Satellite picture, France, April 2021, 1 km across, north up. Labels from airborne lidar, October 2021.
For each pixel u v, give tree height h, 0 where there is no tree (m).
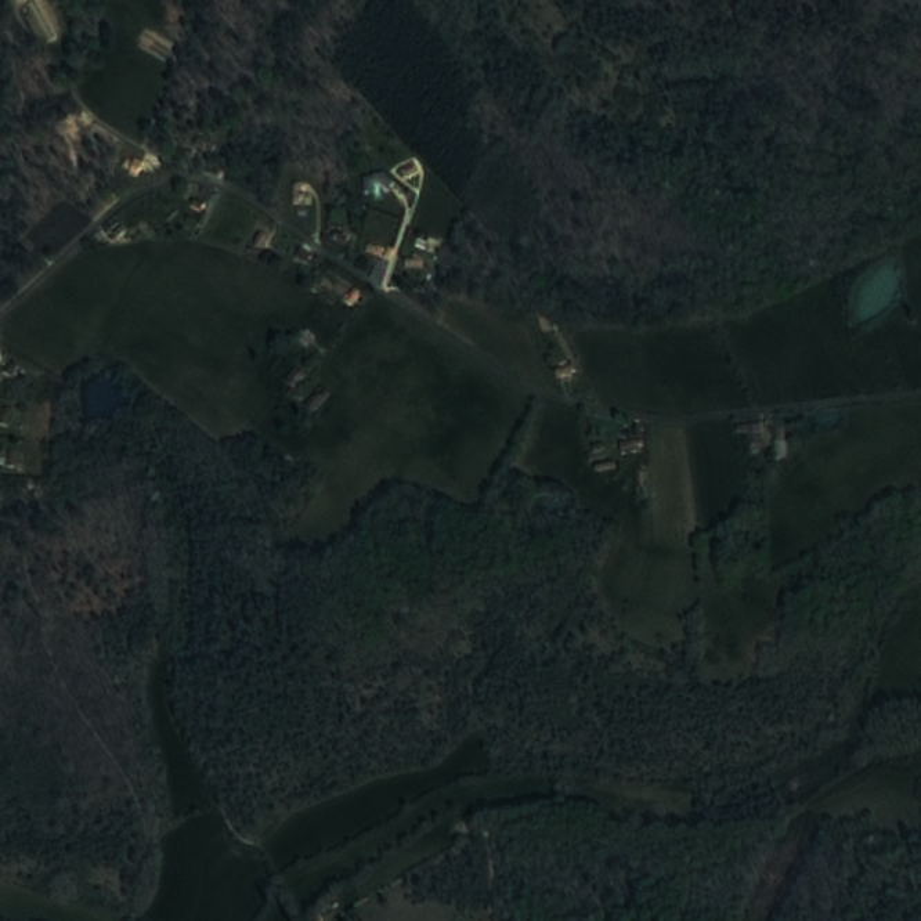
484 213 16
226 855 0
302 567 22
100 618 6
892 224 23
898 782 0
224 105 25
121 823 20
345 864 0
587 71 6
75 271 0
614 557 0
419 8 17
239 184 10
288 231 0
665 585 0
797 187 22
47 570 9
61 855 14
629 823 17
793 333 0
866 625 24
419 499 20
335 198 10
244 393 0
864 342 0
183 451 21
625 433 6
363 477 0
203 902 0
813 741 8
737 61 19
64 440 15
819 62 24
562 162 16
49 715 16
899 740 33
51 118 11
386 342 0
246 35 18
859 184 24
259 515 20
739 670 0
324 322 0
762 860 20
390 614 19
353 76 14
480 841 8
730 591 9
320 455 0
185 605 13
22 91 15
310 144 15
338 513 0
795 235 25
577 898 18
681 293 25
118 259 0
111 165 16
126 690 18
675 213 18
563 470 0
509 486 20
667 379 0
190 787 0
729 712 8
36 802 13
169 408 10
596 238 16
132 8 0
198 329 0
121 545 18
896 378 0
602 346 0
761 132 18
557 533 23
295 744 9
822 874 19
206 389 0
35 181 11
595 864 17
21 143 14
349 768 7
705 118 8
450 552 27
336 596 22
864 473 0
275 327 0
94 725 17
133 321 0
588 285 15
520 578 19
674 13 12
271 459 18
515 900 14
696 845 24
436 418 0
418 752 8
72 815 14
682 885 24
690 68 22
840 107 26
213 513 24
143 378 0
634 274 16
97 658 19
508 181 21
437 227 0
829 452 0
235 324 0
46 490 12
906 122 19
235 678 9
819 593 27
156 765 23
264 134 17
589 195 8
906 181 21
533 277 24
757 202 26
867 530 17
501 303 19
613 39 11
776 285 25
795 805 12
